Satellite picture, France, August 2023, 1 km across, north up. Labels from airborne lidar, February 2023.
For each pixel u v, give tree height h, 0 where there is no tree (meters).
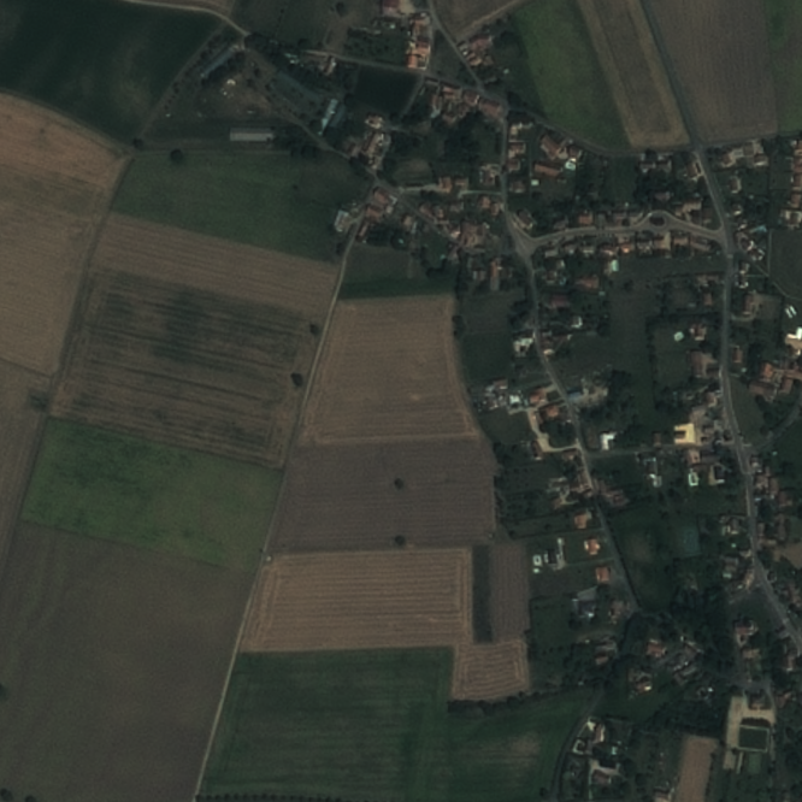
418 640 0
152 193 0
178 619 0
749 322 0
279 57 12
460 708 5
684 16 0
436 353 0
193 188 0
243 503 0
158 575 0
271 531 0
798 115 0
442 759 0
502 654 0
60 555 0
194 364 0
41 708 0
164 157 0
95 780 0
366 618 0
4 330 0
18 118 0
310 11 0
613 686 9
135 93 0
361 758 0
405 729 0
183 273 0
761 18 0
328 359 0
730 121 0
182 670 0
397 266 0
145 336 0
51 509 0
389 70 0
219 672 0
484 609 0
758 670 0
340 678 0
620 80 0
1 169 0
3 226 0
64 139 0
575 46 0
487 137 0
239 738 0
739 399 0
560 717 0
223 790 0
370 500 0
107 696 0
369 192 0
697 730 7
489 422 0
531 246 0
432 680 0
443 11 0
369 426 0
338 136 14
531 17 0
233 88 0
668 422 0
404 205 0
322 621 0
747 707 0
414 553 0
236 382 0
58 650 0
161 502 0
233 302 0
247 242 0
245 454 0
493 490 0
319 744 0
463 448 0
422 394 0
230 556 0
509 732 0
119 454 0
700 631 7
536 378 0
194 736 0
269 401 0
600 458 0
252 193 0
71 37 0
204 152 0
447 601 0
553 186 0
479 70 7
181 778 0
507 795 0
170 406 0
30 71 0
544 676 0
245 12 0
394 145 6
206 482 0
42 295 0
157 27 0
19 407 0
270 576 0
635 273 0
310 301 0
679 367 0
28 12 0
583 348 0
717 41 0
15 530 0
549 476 0
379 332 0
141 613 0
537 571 0
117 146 0
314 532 0
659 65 0
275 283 0
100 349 0
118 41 0
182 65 0
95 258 0
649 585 0
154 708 0
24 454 0
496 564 0
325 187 0
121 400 0
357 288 0
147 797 0
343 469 0
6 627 0
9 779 0
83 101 0
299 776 0
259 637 0
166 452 0
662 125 0
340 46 0
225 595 0
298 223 0
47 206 0
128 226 0
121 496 0
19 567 0
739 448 0
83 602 0
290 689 0
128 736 0
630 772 12
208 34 0
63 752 0
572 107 0
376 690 0
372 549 0
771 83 0
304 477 0
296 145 9
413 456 0
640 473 0
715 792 0
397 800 0
